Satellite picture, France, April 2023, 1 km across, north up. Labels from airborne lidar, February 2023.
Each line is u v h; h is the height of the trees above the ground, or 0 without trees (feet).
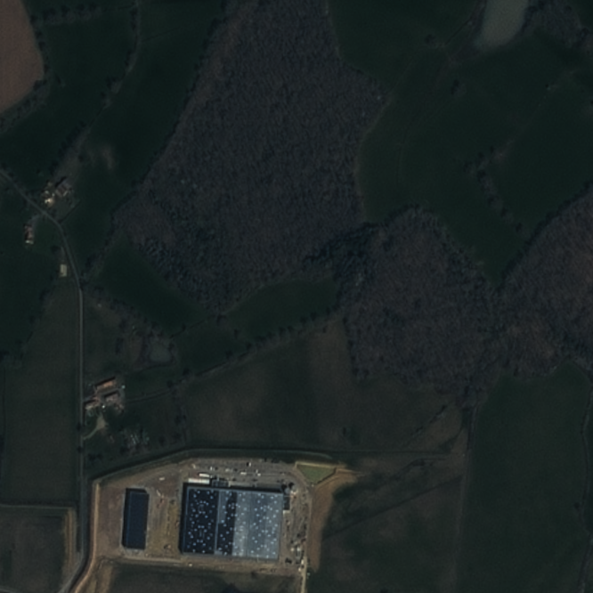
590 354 61
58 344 0
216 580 0
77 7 0
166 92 0
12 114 0
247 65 70
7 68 0
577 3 0
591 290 65
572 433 0
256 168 67
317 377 0
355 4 0
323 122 71
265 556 0
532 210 0
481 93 0
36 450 0
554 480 0
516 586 0
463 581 0
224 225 65
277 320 0
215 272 52
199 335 0
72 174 0
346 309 63
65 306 0
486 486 0
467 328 64
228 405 0
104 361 0
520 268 70
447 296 63
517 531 0
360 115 62
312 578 0
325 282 0
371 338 58
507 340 52
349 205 74
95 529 0
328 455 0
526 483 0
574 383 0
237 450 0
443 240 76
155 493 0
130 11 0
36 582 0
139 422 0
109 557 0
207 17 0
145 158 0
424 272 59
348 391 0
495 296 50
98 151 0
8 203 0
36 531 0
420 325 79
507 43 0
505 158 0
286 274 61
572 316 74
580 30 51
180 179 58
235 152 66
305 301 0
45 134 0
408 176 0
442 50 0
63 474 0
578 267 69
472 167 38
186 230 57
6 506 0
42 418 0
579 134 0
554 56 0
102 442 0
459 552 0
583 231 63
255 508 0
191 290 53
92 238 0
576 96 0
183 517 0
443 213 0
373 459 0
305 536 0
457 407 0
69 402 0
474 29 0
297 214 69
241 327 0
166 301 0
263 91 79
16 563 0
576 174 0
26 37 0
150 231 58
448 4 0
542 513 0
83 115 0
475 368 49
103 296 67
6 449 0
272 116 76
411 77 0
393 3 0
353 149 61
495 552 0
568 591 0
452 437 0
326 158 65
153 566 0
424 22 0
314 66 71
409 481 0
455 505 0
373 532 0
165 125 0
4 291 0
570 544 0
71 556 0
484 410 0
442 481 0
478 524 0
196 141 70
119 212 41
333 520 0
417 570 0
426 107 0
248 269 64
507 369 48
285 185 67
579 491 0
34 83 0
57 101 0
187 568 0
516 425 0
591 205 63
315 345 0
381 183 0
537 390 0
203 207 64
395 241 62
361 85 69
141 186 45
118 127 0
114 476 0
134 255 0
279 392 0
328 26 68
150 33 0
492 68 0
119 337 0
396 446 0
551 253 66
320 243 70
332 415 0
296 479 0
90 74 0
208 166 73
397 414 0
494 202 49
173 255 62
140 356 0
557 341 30
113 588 0
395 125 0
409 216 47
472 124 0
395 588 0
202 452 0
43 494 0
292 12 75
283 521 0
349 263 61
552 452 0
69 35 0
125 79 0
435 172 0
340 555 0
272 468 0
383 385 0
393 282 68
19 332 0
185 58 0
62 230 0
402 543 0
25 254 0
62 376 0
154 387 0
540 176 0
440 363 70
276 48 77
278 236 73
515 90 0
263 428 0
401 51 0
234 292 49
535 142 0
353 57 0
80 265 0
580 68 0
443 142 0
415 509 0
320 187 73
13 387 0
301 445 0
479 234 0
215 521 0
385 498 0
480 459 0
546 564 0
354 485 0
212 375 0
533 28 39
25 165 0
